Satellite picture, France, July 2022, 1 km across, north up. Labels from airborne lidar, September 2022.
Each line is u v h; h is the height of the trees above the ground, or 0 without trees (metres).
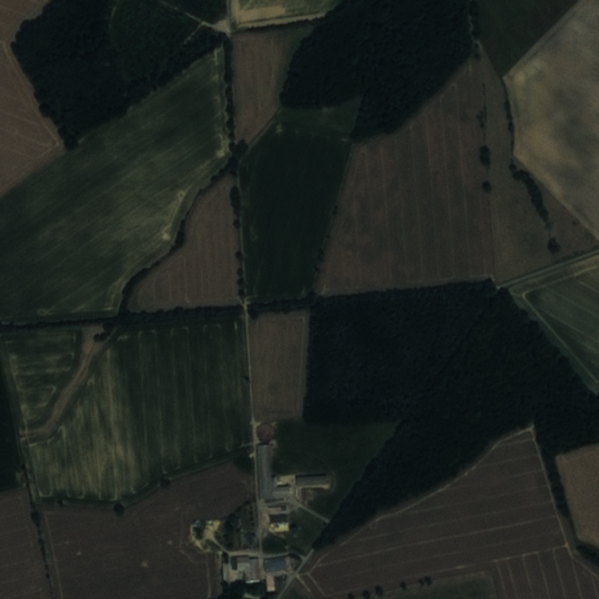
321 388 23
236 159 15
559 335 0
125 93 16
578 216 0
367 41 21
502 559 0
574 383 19
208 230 0
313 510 0
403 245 0
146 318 14
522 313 12
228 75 11
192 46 19
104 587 0
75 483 0
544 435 18
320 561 0
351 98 14
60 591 0
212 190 0
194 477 0
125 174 0
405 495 17
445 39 19
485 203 0
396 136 0
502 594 0
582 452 0
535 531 0
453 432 18
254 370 0
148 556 0
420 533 0
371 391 16
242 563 0
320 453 0
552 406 21
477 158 0
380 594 15
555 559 0
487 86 0
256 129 0
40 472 0
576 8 0
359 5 17
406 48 18
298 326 0
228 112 13
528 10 0
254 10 0
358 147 0
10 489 0
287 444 0
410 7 17
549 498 0
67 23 14
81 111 18
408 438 14
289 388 0
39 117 0
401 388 17
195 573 0
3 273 0
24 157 0
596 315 0
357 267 0
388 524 0
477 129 0
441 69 19
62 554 0
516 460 0
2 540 0
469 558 0
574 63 0
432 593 0
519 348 18
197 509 0
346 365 20
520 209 0
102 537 0
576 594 0
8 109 0
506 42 0
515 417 19
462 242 0
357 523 16
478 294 18
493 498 0
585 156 0
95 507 0
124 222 0
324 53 20
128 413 0
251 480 0
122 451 0
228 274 0
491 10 0
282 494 0
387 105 19
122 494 0
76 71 17
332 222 0
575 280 0
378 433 0
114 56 20
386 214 0
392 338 18
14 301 0
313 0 0
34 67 18
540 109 0
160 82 16
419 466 18
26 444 0
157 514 0
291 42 0
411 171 0
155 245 0
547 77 0
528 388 18
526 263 0
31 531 0
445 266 0
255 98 0
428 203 0
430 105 0
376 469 20
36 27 14
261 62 0
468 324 19
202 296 0
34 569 0
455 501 0
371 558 0
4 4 0
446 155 0
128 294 9
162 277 0
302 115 0
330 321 23
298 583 0
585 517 0
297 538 0
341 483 0
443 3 19
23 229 0
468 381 16
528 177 8
